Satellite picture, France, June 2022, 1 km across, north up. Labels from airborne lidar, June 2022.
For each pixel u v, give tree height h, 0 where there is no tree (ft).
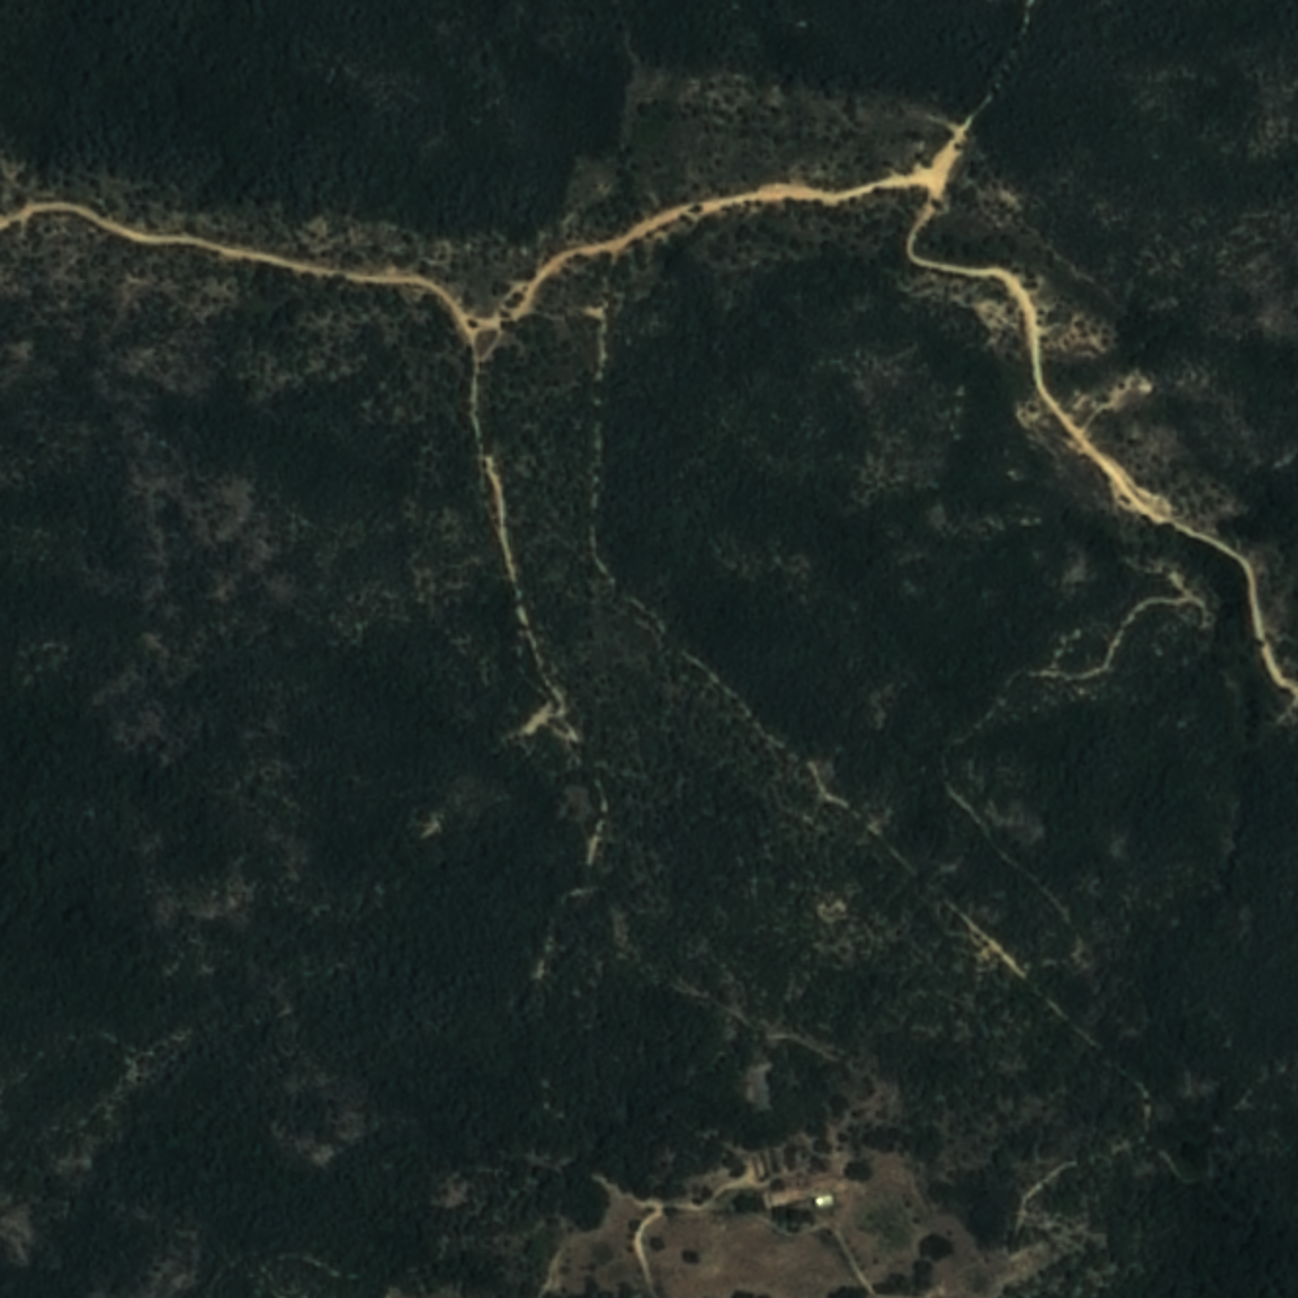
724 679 23
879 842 34
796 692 18
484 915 21
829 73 24
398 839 27
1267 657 0
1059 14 27
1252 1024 22
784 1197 0
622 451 25
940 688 21
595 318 21
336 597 23
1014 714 26
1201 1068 26
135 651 28
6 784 30
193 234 25
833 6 21
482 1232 40
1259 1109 27
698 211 25
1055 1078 25
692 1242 0
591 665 26
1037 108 18
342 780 26
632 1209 0
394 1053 32
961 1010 41
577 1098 27
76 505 32
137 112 26
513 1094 34
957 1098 28
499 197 31
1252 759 33
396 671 28
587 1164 22
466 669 27
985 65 35
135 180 50
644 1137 30
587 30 21
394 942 25
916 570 24
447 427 27
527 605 31
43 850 33
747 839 31
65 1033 24
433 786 36
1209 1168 24
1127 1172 21
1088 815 20
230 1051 20
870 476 18
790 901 30
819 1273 0
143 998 22
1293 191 22
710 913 27
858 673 22
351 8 32
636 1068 35
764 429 26
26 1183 44
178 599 19
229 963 27
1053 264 23
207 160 53
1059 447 0
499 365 31
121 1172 18
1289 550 35
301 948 24
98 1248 29
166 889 21
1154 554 34
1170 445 0
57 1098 21
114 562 18
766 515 23
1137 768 32
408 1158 20
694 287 32
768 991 23
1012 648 30
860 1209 0
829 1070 32
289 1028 22
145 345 22
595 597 36
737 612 19
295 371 24
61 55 38
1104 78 31
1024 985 31
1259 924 25
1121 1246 34
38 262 18
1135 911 20
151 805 21
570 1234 0
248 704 25
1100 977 27
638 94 0
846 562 41
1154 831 25
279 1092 19
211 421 27
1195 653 26
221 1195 36
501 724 22
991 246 21
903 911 28
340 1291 17
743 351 22
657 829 29
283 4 27
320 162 39
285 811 24
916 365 27
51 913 52
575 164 21
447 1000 35
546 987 24
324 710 31
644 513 27
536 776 26
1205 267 21
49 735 32
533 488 29
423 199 22
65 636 21
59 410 23
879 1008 20
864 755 27
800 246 27
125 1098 29
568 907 29
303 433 29
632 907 20
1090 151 24
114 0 54
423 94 18
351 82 24
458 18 21
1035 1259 0
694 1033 32
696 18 41
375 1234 20
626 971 30
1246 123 22
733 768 22
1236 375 23
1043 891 24
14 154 26
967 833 29
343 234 23
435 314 22
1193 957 21
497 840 28
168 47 35
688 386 26
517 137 21
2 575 30
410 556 27
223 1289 20
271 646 21
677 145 0
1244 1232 42
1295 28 24
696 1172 34
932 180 0
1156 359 21
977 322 26
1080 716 24
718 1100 33
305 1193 29
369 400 23
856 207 24
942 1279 0
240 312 32
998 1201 19
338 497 29
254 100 26
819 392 21
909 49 21
